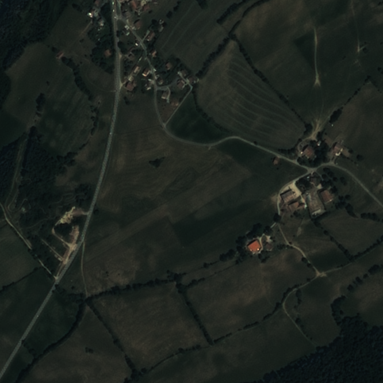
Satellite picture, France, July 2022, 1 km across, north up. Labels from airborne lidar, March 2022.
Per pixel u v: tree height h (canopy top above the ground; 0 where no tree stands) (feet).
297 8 0
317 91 0
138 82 0
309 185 23
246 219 0
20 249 0
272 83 0
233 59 0
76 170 0
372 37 0
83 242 0
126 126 0
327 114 0
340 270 0
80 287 0
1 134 0
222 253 0
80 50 0
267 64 0
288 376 73
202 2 66
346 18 0
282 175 0
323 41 0
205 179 0
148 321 0
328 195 0
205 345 0
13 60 76
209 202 0
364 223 0
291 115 0
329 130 0
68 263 0
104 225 0
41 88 0
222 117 0
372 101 0
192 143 0
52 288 0
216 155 0
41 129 0
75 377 0
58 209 0
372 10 0
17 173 0
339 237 0
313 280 0
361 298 0
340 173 0
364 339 43
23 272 0
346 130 0
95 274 0
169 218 0
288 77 0
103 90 0
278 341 0
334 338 0
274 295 0
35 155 70
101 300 0
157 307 0
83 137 0
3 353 0
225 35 0
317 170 0
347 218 0
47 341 0
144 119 0
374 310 0
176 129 0
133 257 0
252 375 0
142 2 0
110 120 0
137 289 54
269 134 0
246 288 0
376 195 0
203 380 0
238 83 0
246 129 0
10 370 0
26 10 65
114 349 0
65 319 0
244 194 0
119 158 0
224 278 0
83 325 0
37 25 25
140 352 0
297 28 0
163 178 0
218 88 0
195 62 0
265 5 0
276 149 0
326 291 0
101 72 0
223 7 0
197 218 0
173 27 0
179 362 0
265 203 0
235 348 0
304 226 0
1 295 21
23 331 0
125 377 0
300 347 0
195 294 0
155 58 22
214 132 0
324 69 0
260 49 0
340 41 0
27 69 0
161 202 0
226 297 0
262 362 0
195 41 0
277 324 0
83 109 0
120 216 0
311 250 0
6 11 92
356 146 0
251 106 0
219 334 0
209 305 0
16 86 0
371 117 0
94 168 0
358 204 0
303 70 0
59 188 0
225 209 0
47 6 52
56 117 0
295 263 0
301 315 0
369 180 0
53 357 0
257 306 0
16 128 0
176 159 0
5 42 26
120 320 0
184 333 0
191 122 0
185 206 0
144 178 0
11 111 0
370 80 25
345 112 0
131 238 0
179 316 0
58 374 0
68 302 0
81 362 0
